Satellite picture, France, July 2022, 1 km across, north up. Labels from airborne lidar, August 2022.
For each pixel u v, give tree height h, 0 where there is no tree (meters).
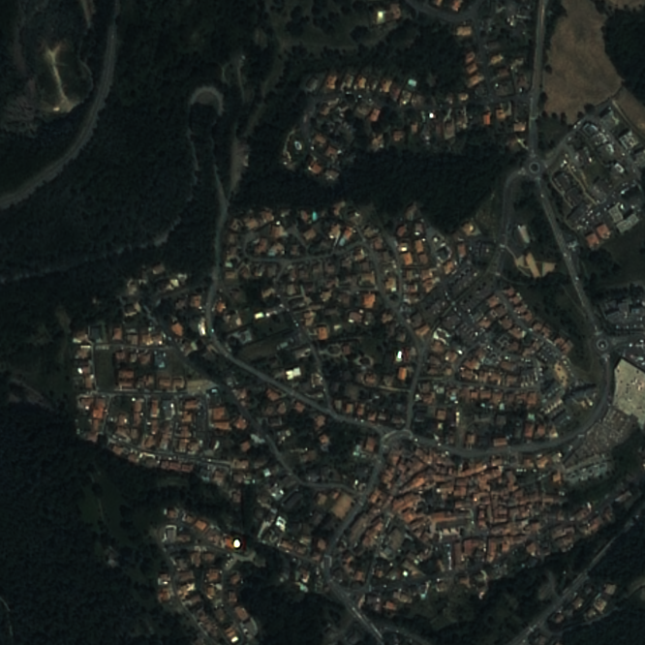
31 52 5
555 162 0
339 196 17
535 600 7
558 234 0
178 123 19
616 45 7
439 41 10
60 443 27
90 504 0
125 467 19
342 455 6
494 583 10
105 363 0
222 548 0
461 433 0
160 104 8
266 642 15
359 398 8
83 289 15
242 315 0
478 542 0
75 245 14
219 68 13
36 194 10
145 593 19
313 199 15
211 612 12
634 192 12
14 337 15
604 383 0
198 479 9
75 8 11
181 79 12
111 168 12
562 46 0
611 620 10
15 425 20
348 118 15
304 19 14
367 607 10
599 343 0
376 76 6
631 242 0
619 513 14
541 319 0
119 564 18
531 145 0
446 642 14
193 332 8
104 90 0
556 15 11
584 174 0
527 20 11
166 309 14
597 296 13
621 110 0
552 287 11
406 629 9
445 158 8
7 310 12
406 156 9
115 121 20
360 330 7
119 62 9
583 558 14
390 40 15
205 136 21
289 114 18
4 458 23
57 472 21
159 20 8
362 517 0
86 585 23
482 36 11
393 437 0
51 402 11
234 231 9
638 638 16
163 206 22
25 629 17
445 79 8
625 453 7
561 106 0
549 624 8
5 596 21
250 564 7
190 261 10
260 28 6
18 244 10
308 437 7
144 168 17
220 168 15
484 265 6
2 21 10
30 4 6
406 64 8
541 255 9
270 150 14
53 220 15
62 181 14
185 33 16
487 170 7
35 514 15
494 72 6
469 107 12
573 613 9
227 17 7
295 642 21
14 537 13
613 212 0
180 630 18
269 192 17
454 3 0
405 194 14
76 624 14
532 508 0
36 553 19
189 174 24
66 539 31
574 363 0
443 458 0
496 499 0
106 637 15
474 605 6
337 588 0
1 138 15
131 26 8
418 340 0
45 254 8
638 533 11
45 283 20
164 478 9
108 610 19
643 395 0
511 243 0
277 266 9
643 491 18
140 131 18
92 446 21
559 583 9
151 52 8
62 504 27
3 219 14
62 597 17
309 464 7
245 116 6
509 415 6
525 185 11
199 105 10
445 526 0
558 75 0
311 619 15
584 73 0
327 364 14
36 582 20
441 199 13
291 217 8
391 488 0
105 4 11
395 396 8
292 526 0
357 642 7
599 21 0
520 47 9
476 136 12
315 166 0
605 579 14
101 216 18
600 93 0
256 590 22
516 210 11
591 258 12
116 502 0
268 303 8
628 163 0
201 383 0
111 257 19
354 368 6
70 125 9
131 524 18
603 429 0
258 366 10
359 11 18
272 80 0
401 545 6
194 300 0
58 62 0
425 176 17
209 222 17
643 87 21
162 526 0
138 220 9
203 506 18
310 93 6
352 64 6
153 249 17
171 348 0
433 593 0
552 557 10
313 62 6
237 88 7
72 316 7
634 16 7
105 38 6
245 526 14
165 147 13
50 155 12
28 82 0
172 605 0
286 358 7
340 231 7
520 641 0
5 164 20
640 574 8
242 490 9
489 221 0
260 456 12
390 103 12
